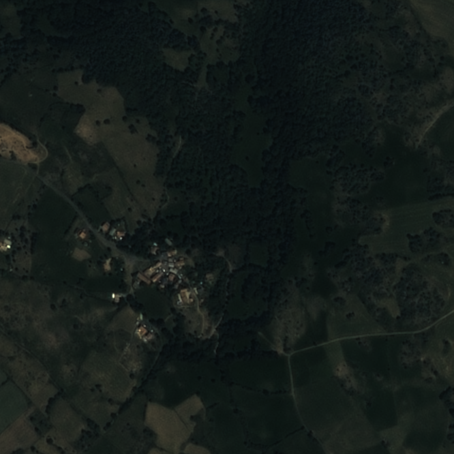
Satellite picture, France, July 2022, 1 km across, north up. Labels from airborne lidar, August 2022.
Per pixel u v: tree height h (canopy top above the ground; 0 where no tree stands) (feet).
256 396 0
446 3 0
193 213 53
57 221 0
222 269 39
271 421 0
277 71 106
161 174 27
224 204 50
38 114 0
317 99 35
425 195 0
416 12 0
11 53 31
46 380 0
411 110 0
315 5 63
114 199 0
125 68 42
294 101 72
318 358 0
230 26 27
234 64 66
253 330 48
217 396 0
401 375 0
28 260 0
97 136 0
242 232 58
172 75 47
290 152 80
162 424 0
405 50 30
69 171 0
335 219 0
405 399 0
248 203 67
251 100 64
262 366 0
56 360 0
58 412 0
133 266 0
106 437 0
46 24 0
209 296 29
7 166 0
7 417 0
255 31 60
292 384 0
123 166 0
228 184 34
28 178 0
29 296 0
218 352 53
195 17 25
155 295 0
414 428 0
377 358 0
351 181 20
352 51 26
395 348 0
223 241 41
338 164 29
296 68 24
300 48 25
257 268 64
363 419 0
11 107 0
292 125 73
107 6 67
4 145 0
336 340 0
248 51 64
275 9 20
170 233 38
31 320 0
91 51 43
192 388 0
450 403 22
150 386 0
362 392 0
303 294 0
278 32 100
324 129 50
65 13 88
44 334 0
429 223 0
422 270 0
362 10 50
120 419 0
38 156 0
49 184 0
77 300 0
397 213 0
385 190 0
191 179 65
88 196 0
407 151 0
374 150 20
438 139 0
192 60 39
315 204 0
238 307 0
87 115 0
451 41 0
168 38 38
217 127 58
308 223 53
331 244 42
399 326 0
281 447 0
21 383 0
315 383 0
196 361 59
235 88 58
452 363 0
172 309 45
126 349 0
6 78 33
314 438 25
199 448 0
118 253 0
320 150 29
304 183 0
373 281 22
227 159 48
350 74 45
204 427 0
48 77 0
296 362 0
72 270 0
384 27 0
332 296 0
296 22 68
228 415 0
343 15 25
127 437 0
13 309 0
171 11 0
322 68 21
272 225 47
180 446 0
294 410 0
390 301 0
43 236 0
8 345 0
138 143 0
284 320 0
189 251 48
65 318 0
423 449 0
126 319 0
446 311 0
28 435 0
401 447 0
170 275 0
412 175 0
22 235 47
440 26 0
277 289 47
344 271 0
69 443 0
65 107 0
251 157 0
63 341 0
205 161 30
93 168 0
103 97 0
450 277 0
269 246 61
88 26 87
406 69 20
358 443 0
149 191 0
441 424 0
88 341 0
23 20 44
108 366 0
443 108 0
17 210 0
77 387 0
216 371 0
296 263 0
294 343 0
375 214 0
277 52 87
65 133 0
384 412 0
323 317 0
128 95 20
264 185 60
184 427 0
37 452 21
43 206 0
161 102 26
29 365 0
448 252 0
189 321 23
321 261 0
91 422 36
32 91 0
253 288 64
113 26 37
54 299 0
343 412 0
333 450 0
